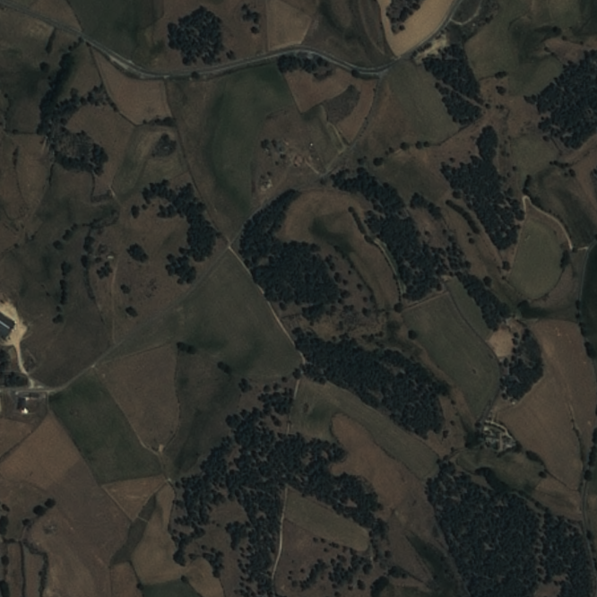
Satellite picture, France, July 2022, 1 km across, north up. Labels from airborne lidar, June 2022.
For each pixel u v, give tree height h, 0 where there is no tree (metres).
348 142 0
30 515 0
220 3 0
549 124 17
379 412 0
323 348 22
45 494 0
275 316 0
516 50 0
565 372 0
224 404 0
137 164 0
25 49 0
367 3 0
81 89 0
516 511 19
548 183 0
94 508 0
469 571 21
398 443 0
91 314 0
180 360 0
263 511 18
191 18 12
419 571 0
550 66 0
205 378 0
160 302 0
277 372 0
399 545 0
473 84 17
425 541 0
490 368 0
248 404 0
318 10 0
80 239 0
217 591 0
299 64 13
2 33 0
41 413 0
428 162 0
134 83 0
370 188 21
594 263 0
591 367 0
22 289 0
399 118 0
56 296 0
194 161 0
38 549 0
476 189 18
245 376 0
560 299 0
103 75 0
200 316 0
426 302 0
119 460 0
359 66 0
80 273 0
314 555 0
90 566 0
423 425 18
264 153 0
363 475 0
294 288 19
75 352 0
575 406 0
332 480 15
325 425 0
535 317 0
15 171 0
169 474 0
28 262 0
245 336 0
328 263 16
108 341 0
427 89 0
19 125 0
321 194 0
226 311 0
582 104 24
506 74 8
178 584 0
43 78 0
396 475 0
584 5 0
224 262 0
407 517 0
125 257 0
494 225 17
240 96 0
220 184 0
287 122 0
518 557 17
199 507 13
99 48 0
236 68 0
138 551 0
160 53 0
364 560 11
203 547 9
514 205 18
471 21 0
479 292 18
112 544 0
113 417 0
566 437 0
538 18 0
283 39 0
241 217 0
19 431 0
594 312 0
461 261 8
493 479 23
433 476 0
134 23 0
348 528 0
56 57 0
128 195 0
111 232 0
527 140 0
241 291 0
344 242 0
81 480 0
